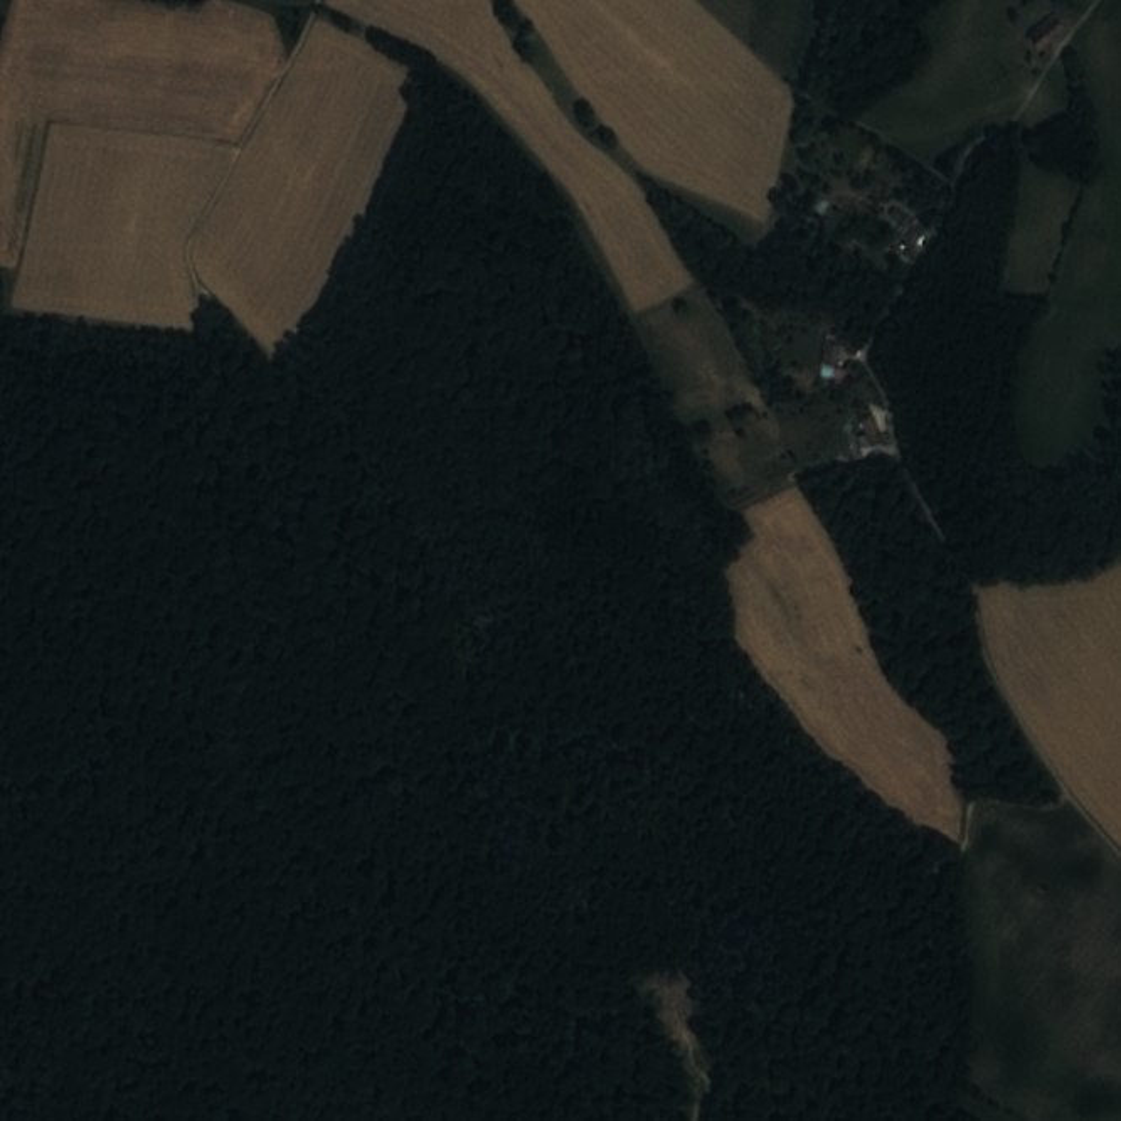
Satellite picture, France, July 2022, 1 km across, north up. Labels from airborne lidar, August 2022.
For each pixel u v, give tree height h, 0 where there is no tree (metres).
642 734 23
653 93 0
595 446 24
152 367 23
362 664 23
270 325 0
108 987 20
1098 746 0
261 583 24
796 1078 24
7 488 21
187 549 25
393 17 0
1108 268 0
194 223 0
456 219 25
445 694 22
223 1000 22
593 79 0
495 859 32
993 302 12
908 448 15
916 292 17
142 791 23
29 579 21
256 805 23
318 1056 29
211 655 22
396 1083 25
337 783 21
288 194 0
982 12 0
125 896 27
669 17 0
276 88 0
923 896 17
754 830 18
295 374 12
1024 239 0
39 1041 27
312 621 24
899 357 19
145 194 0
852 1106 24
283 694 21
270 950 21
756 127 0
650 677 23
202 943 23
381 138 0
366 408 25
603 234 0
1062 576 18
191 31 0
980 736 25
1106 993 0
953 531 21
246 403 21
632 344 26
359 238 14
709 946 29
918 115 0
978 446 17
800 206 10
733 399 0
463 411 22
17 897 23
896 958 20
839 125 15
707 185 0
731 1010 13
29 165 0
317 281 0
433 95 19
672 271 0
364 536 20
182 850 24
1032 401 0
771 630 0
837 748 0
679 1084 24
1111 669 0
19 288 0
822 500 20
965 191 13
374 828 22
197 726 23
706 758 22
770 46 0
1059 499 17
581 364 25
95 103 0
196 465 28
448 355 26
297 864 22
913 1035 25
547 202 16
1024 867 0
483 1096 25
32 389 16
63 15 0
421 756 25
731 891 19
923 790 0
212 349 25
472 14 0
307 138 0
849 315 12
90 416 24
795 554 0
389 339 24
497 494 19
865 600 19
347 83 0
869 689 0
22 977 19
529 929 17
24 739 24
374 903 21
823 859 22
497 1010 20
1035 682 0
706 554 30
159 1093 23
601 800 18
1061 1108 0
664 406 21
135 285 0
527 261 28
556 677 19
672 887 14
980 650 9
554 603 22
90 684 26
